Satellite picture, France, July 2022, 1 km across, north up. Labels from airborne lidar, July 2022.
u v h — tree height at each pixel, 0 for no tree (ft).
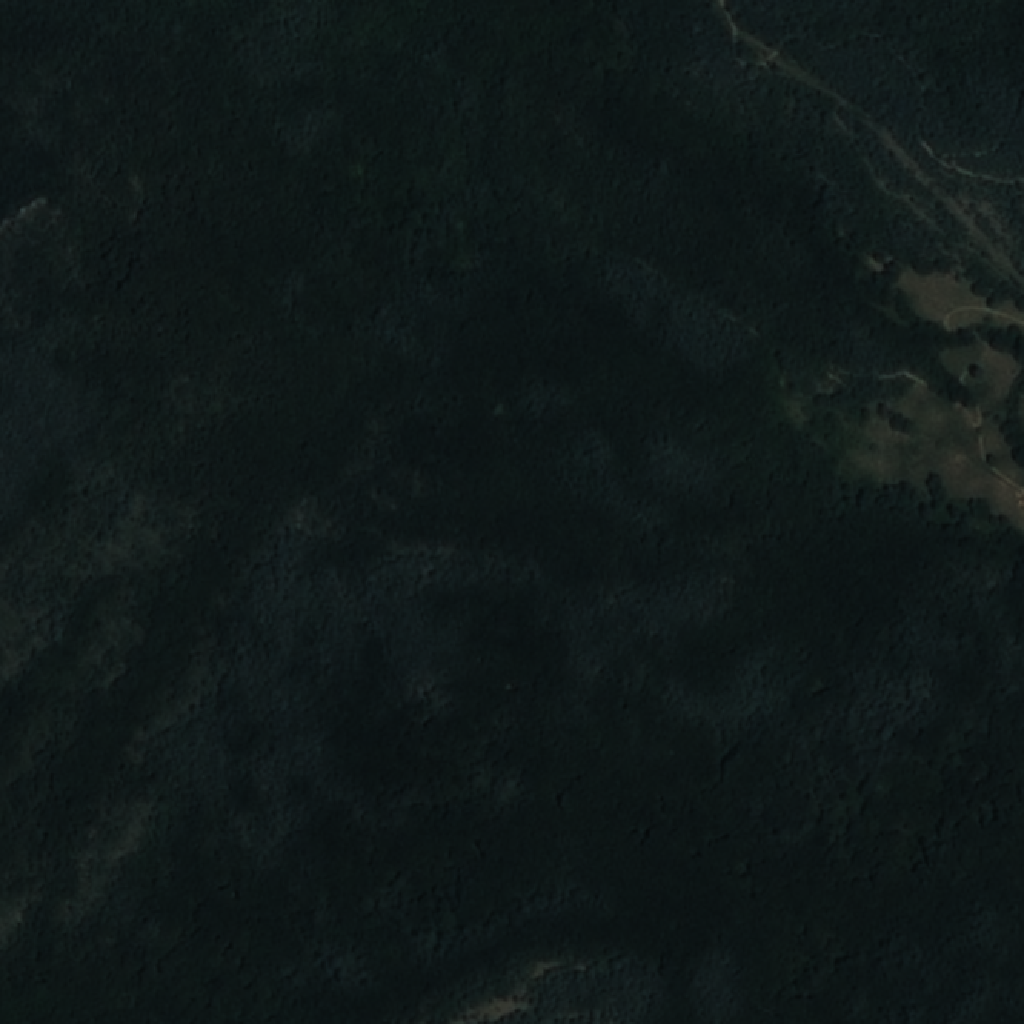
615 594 23
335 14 24
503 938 65
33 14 43
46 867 35
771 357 44
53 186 36
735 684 79
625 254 39
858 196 24
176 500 25
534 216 60
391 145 45
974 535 53
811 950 73
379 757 70
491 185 42
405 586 48
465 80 45
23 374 60
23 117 31
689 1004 81
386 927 71
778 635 76
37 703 54
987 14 36
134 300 86
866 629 62
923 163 29
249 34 20
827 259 94
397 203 25
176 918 76
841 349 55
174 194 62
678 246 47
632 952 55
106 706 77
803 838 64
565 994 46
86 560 26
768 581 70
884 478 0
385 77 37
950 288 0
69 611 27
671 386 51
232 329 59
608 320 57
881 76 50
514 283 77
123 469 48
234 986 92
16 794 59
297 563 51
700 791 79
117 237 77
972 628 47
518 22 67
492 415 56
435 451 41
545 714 48
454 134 50
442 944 38
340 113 46
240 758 58
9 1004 85
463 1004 33
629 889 63
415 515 37
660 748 75
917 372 37
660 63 38
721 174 60
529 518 56
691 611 38
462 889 68
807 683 77
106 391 58
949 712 64
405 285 68
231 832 51
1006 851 60
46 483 73
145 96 53
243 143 74
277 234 55
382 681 47
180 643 66
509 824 70
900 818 94
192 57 31
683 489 71
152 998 63
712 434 47
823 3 61
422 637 51
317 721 49
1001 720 71
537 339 74
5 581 22
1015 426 63
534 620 52
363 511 40
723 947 40
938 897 56
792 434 53
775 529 58
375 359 53
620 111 82
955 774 64
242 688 52
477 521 57
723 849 78
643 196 46
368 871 67
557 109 56
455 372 56
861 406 29
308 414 64
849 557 93
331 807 64
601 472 70
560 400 72
